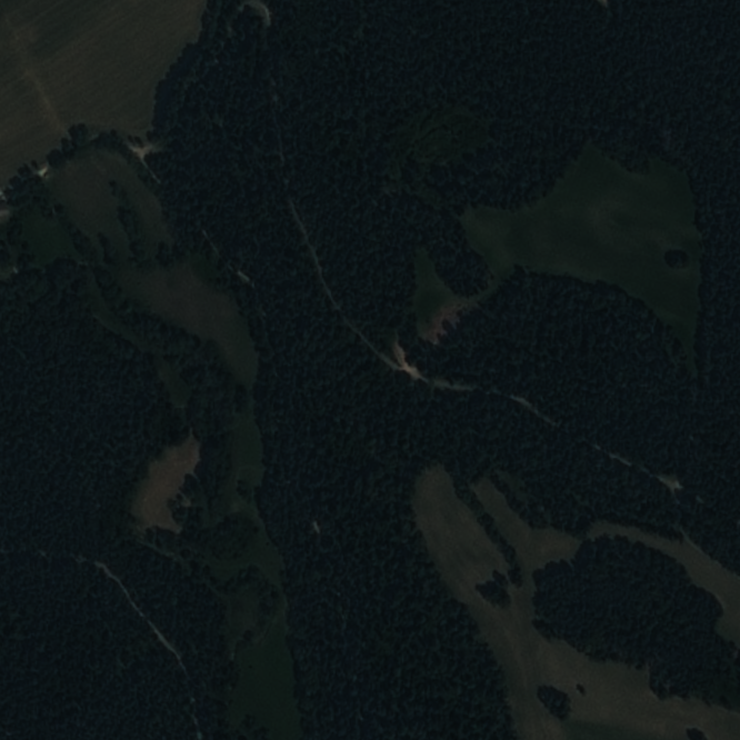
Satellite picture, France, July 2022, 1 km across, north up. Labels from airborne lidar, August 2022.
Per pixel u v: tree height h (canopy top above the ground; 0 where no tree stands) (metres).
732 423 21
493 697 22
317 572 30
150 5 0
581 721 0
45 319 28
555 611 24
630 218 0
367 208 17
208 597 30
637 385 24
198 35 0
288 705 0
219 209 21
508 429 24
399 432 25
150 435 31
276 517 33
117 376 33
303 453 27
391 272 18
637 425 29
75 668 19
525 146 19
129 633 18
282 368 34
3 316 24
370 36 19
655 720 0
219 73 25
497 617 0
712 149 30
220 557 18
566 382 20
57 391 23
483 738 14
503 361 16
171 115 33
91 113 0
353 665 27
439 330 0
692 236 0
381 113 24
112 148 21
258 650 0
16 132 0
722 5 30
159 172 29
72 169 0
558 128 20
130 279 0
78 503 27
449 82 26
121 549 27
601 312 10
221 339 0
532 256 0
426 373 18
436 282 0
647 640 16
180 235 24
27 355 30
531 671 0
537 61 24
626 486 28
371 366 24
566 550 0
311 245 12
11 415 23
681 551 0
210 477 22
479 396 20
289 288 26
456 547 0
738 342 29
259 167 20
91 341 21
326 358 21
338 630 27
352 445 7
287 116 15
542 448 25
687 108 30
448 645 18
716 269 12
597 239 0
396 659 7
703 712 0
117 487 25
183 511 14
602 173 0
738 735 0
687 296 0
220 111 26
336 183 8
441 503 0
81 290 24
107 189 0
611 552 16
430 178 6
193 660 28
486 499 0
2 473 22
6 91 0
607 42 25
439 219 32
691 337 0
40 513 27
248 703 0
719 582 0
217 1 20
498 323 16
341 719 29
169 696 32
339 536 25
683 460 27
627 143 24
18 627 13
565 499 24
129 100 0
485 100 24
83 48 0
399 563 14
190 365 12
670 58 27
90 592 7
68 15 0
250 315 19
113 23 0
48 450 28
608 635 24
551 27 21
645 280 0
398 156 8
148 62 0
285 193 24
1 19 0
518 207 17
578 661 0
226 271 18
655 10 26
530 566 0
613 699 0
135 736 31
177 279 0
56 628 21
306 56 8
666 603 22
